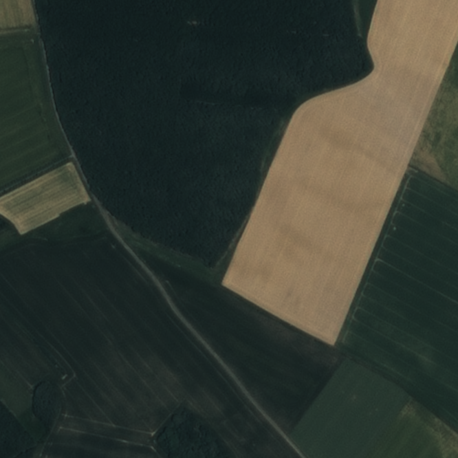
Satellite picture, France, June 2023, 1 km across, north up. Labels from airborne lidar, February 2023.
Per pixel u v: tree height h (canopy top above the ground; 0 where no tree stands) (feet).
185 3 49
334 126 0
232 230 70
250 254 0
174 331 0
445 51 0
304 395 0
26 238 0
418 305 0
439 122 0
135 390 0
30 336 0
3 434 69
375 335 0
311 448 0
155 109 76
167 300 0
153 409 0
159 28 63
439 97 0
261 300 0
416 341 0
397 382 0
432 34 0
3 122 0
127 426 0
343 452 0
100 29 65
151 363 0
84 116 78
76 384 0
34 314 0
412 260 0
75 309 0
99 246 0
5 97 0
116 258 0
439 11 0
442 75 0
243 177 68
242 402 0
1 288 0
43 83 0
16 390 0
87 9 55
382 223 0
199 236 77
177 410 0
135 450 0
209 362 0
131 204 73
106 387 0
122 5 57
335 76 57
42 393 67
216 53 66
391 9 0
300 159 0
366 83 0
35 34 0
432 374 0
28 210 0
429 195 0
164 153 72
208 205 82
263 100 30
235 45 57
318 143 0
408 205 0
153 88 80
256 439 0
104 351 0
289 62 58
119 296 0
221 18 66
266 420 0
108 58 78
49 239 0
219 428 0
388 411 0
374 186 0
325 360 0
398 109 0
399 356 0
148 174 80
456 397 0
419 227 0
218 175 66
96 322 0
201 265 0
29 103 0
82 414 0
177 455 68
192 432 63
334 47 75
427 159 0
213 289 0
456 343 0
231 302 0
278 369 0
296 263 0
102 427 0
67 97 72
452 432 0
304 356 0
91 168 65
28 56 0
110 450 0
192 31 54
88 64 65
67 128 57
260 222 0
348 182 0
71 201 0
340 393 0
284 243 0
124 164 70
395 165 0
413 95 0
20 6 0
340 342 0
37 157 0
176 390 0
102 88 69
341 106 0
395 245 0
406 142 0
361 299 0
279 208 0
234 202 82
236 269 0
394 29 0
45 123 0
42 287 0
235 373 0
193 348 0
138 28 68
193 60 50
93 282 0
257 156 70
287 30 52
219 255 63
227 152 76
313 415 0
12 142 0
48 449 0
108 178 74
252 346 0
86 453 0
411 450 0
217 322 0
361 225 0
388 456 0
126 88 75
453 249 0
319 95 0
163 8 54
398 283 0
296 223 0
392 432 0
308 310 0
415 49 0
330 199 0
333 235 0
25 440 62
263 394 0
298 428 0
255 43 57
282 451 0
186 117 71
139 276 0
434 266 0
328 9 65
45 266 0
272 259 0
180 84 49
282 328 0
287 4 55
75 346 0
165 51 60
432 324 0
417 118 0
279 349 0
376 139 0
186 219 73
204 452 46
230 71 59
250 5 62
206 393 0
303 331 0
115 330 0
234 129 79
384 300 0
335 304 0
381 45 0
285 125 0
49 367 0
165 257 0
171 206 79
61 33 68
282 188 0
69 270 0
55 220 0
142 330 0
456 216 0
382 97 0
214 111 65
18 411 0
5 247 0
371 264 0
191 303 0
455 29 0
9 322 0
